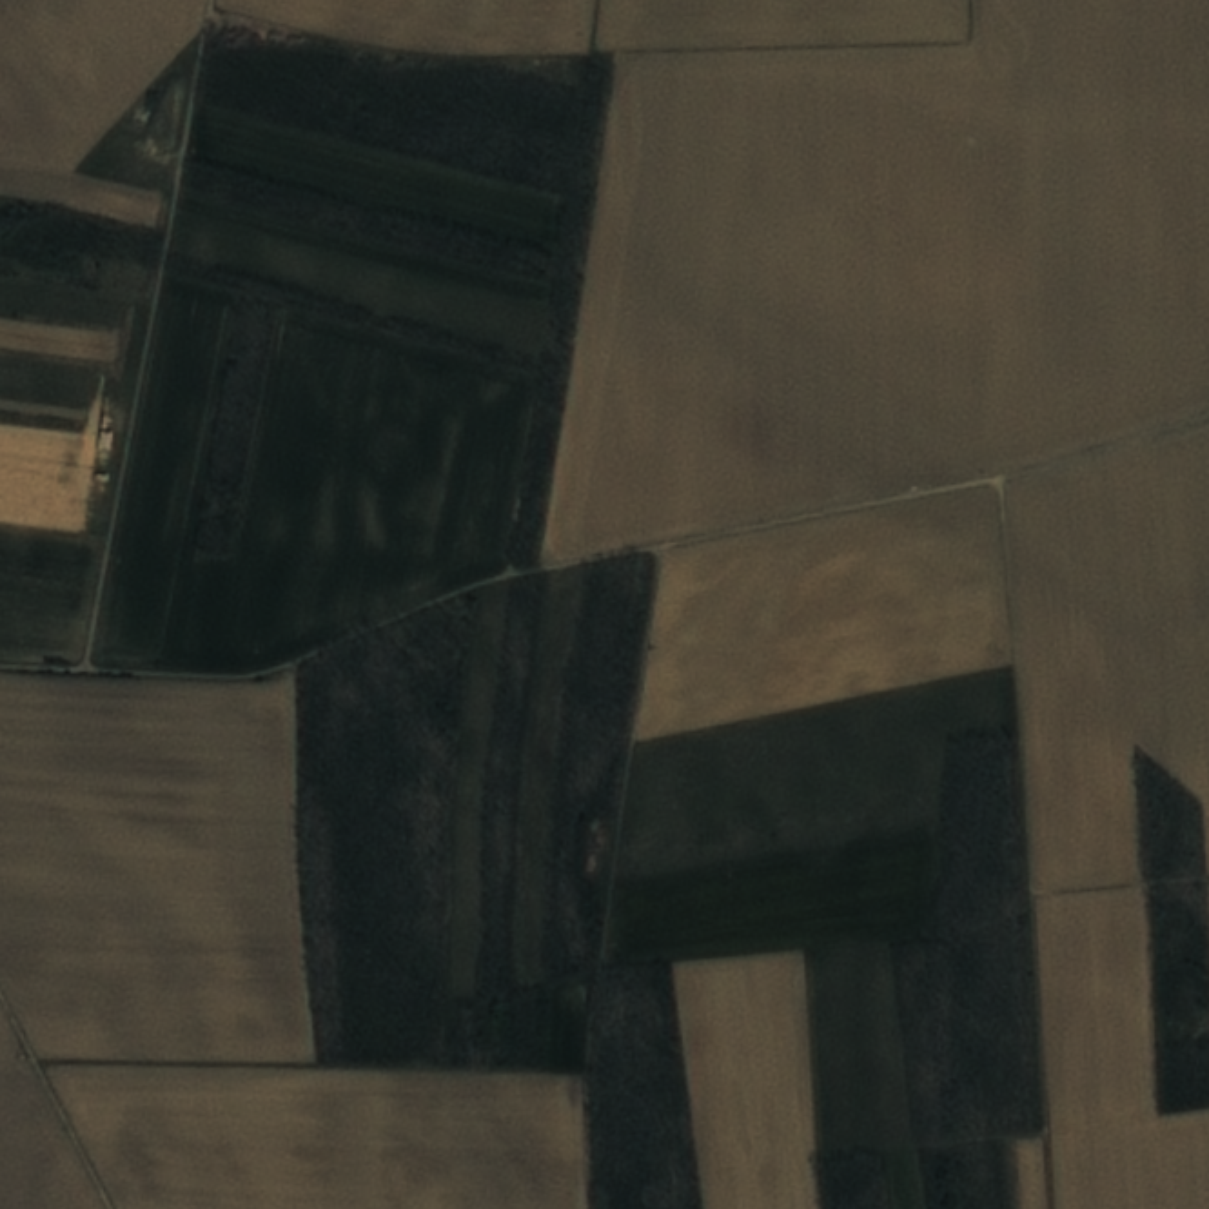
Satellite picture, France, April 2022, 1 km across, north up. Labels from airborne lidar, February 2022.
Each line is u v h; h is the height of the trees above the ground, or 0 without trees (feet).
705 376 0
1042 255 0
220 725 0
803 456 0
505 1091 0
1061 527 0
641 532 0
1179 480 0
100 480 0
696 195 0
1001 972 0
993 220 0
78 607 0
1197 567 0
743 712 0
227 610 0
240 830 0
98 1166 0
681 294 0
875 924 0
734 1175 0
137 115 0
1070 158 0
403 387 0
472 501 0
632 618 0
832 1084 0
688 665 0
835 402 0
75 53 0
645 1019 0
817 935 0
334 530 0
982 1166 0
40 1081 0
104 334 0
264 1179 0
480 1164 0
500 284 0
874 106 0
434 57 0
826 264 0
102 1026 0
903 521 0
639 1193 0
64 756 0
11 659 0
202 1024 0
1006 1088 0
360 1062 31
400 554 0
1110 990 0
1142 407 0
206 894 0
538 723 0
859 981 0
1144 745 0
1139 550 0
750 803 0
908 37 0
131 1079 0
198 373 0
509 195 0
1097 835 0
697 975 0
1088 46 0
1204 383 0
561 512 0
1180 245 0
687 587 0
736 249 0
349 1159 0
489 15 0
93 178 0
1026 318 0
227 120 0
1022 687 0
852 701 0
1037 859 0
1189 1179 0
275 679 0
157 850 0
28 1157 0
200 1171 0
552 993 0
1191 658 0
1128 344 0
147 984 0
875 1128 0
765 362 0
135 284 0
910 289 0
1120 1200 0
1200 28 0
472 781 0
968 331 0
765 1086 0
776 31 0
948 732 0
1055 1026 0
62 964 0
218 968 0
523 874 0
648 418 0
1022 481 0
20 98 0
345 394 0
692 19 0
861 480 0
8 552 0
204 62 31
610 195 0
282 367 0
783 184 0
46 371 0
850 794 0
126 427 0
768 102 0
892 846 0
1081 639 0
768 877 0
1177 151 0
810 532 0
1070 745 0
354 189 0
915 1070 0
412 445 0
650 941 0
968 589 0
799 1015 0
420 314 0
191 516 0
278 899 0
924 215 0
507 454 0
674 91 0
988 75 0
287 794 0
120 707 0
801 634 0
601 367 0
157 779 0
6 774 0
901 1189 0
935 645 0
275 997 0
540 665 0
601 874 0
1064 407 0
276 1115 0
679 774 0
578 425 0
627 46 0
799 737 0
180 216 0
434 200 0
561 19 0
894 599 0
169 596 0
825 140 0
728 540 0
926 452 0
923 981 0
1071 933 0
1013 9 0
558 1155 0
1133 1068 0
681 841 0
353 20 0
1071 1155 0
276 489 0
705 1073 0
